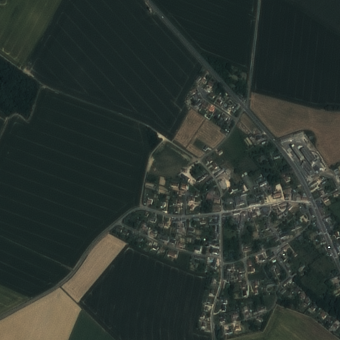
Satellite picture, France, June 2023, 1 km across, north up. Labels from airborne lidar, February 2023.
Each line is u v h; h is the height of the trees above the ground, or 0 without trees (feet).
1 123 0
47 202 0
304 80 0
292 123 0
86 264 0
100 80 0
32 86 71
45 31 0
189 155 0
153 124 0
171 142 0
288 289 26
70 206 0
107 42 0
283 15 0
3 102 52
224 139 0
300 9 0
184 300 0
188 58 0
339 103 0
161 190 0
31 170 0
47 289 0
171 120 0
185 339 0
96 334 0
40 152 0
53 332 0
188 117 0
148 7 0
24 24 0
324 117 0
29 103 49
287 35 0
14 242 0
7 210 0
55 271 0
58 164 0
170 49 0
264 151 28
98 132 0
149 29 0
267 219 0
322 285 0
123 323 0
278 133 0
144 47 0
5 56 0
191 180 0
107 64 0
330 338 0
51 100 0
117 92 0
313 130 0
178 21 0
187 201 0
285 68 0
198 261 20
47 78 0
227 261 0
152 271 0
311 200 0
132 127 0
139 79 0
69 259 0
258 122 0
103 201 0
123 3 0
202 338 0
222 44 0
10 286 0
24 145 0
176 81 0
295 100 0
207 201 26
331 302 64
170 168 0
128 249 0
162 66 0
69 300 0
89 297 0
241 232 0
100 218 0
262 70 0
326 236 0
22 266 0
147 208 0
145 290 0
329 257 19
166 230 0
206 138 0
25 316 0
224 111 0
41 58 0
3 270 0
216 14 0
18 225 0
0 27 0
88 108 0
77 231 0
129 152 0
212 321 0
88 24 0
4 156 0
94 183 0
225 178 0
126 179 0
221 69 41
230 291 38
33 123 0
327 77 0
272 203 0
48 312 0
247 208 0
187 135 0
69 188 0
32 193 0
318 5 0
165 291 0
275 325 0
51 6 0
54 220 0
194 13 0
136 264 0
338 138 0
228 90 0
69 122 0
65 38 0
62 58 0
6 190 0
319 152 0
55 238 0
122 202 0
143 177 0
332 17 0
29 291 0
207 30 0
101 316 0
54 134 0
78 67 0
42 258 0
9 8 0
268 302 0
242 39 0
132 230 0
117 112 0
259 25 0
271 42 0
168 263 0
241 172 0
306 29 0
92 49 0
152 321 0
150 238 0
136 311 0
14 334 0
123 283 0
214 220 35
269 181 42
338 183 0
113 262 0
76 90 0
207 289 22
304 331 0
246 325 0
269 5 0
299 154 0
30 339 0
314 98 0
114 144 0
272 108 0
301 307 0
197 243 23
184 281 0
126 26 0
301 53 0
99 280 0
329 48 0
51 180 0
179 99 0
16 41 0
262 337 0
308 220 0
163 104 0
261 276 0
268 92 0
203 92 0
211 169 0
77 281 0
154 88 0
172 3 0
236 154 0
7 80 68
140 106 0
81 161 0
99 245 0
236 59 0
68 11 0
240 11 0
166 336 0
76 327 0
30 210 0
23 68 0
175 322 0
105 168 0
